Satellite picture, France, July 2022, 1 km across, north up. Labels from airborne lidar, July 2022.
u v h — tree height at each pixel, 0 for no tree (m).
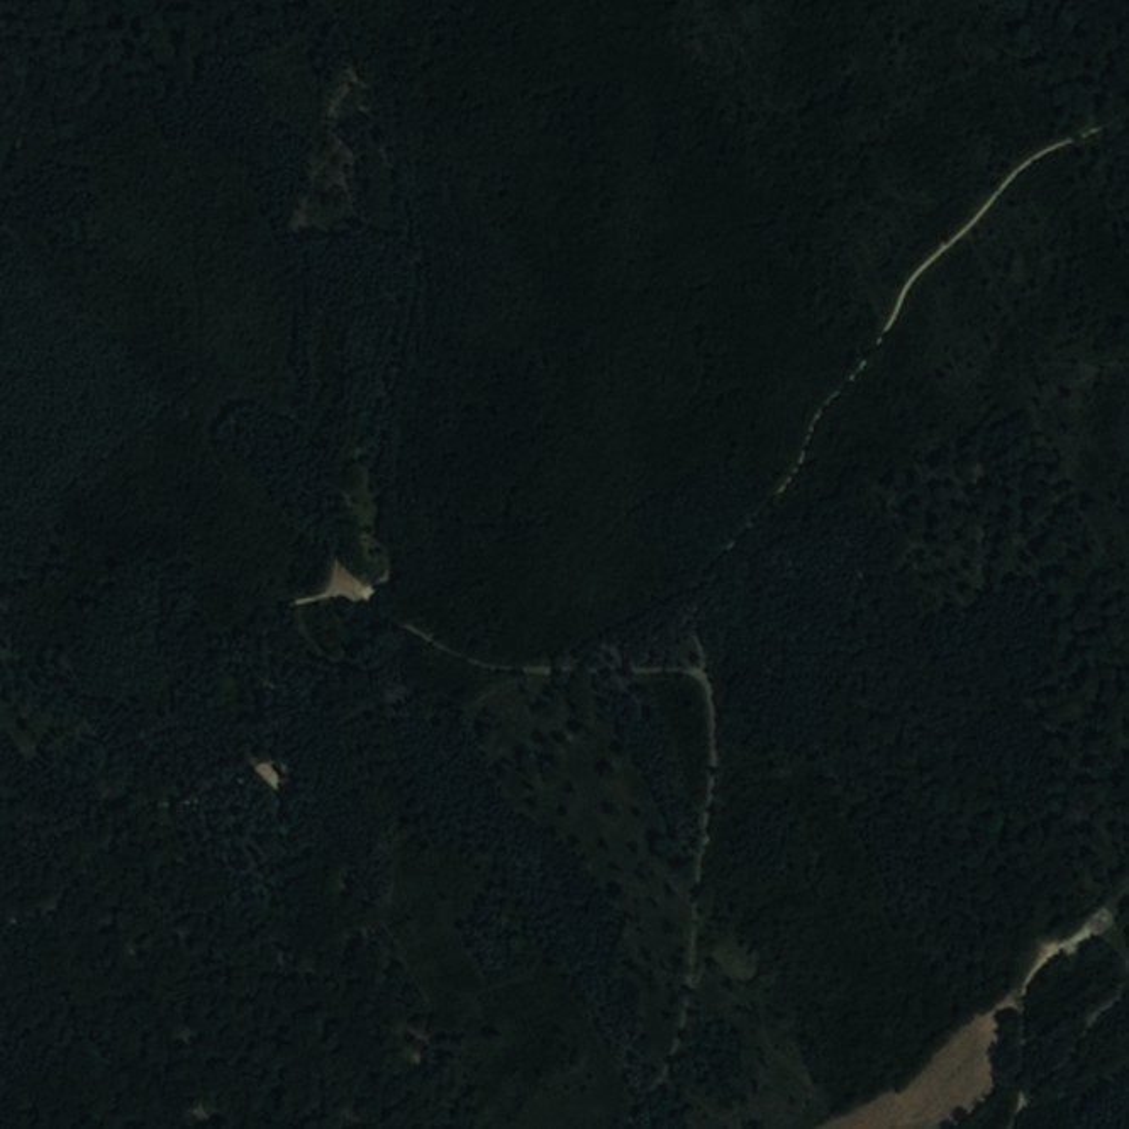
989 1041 0
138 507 12
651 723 21
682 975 20
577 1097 0
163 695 17
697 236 9
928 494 24
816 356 13
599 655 16
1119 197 21
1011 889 26
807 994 8
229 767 27
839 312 13
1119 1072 0
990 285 12
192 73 20
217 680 36
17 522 19
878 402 12
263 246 10
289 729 23
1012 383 6
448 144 17
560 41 11
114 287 8
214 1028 21
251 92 25
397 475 12
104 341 14
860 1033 7
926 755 21
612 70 11
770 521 15
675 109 16
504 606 12
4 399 12
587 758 19
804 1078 0
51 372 16
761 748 19
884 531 21
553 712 25
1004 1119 10
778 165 8
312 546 11
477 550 14
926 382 6
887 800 20
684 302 14
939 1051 7
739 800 8
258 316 10
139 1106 19
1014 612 24
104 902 21
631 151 9
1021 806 21
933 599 24
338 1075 16
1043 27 22
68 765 33
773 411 10
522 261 15
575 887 20
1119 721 32
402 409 13
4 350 16
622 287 8
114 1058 23
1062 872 27
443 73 10
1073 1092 14
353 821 22
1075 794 28
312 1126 23
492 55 10
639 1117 19
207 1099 23
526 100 14
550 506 9
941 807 24
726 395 14
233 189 6
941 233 6
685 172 17
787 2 11
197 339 9
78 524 15
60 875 25
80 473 17
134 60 24
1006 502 21
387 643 43
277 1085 23
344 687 23
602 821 0
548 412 14
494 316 9
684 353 15
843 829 9
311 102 8
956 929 22
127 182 9
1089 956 19
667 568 16
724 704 11
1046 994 7
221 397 9
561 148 8
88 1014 20
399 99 18
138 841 22
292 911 24
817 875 11
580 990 17
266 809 31
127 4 26
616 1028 20
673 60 8
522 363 15
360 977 18
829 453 9
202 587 10
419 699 18
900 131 10
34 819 9
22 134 18
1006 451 23
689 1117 14
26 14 23
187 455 10
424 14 16
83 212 21
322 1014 23
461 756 28
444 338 11
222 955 25
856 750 21
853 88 15
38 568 13
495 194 13
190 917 18
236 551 7
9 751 31
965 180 9
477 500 21
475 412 22
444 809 17
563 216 17
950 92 7
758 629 20
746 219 12
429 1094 20
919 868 16
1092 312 24
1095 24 24
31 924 19
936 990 8
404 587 18
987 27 11
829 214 9
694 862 18
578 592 10
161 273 11
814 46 12
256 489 10
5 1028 19
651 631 21
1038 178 8
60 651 20
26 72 20
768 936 6
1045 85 12
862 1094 11
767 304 10
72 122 20
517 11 17
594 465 9
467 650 11
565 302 15
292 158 24
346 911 19
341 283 24
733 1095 9
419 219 15
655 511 11
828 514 18
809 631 22
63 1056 20
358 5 17
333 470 23
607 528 10
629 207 7
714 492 15
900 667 20
